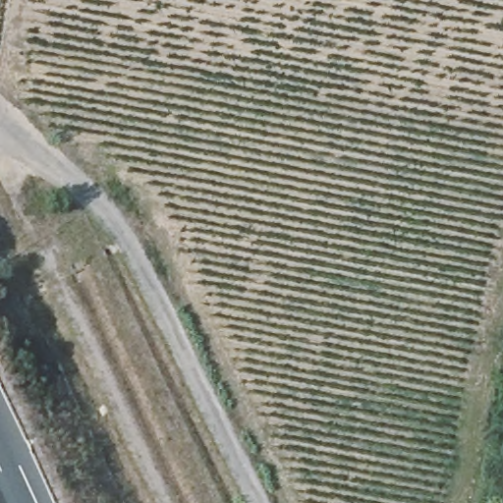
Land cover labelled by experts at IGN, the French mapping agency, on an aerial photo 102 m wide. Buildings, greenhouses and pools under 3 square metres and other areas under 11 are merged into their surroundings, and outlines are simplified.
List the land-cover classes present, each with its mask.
<instances>
[{"label":"vineyard","instance_id":"1","mask_svg":"<svg viewBox=\"0 0 503 503\"><path fill-rule=\"evenodd\" d=\"M86 8L73 4L67 6L65 12L43 10V14L49 16L51 28L75 29L86 33V37L53 33L55 37L94 43V49L67 43H53L43 37H28L29 43L41 45V49L26 51V63L53 69H73L100 77H122L140 83L173 86L175 92H163L132 84L108 83L114 88L147 92L149 98H138L98 88L33 79V83L39 84V88H31V98H16L14 94L6 98L12 106L26 114V118L35 126V130L43 134L45 140L59 147L84 175L92 177V183L98 185L100 195H106L108 181H114L116 177L124 185L132 187V193L138 196V206L126 216L130 228L136 232L143 246L147 240H155L157 250L161 251L169 271L161 279L163 289L167 291L171 303L179 312H183L191 320L193 328L202 324L204 332L210 336V346L216 362L220 363L222 377H226L234 395L238 397V407H228L226 411L236 430V436L242 440V448L250 458L255 475L261 481L265 495L271 503H470L475 489L472 479H475V458H479V452L485 442V419L489 413V405L493 401L491 371L499 369L503 375V367L501 354H493L487 330L503 312V0H83ZM0 216L8 220V226L16 238V251L20 255L37 253L43 257V263L33 273L35 285L45 305L55 314L59 334L67 342H73V360L88 385L90 397L94 399L100 411V422L104 424L106 432L114 442L126 479H130L136 487L141 503H248V497L242 493L240 483L230 470L228 458L220 452L214 434L210 432L202 411L196 405L195 395L185 381V373L175 360V354L163 330L159 328L153 316V310L145 301V295L128 263L126 253L110 251L116 238L102 226V220H98L92 214L90 206L83 208L73 198L69 200V212L45 214V220L31 222V218L24 212V195L20 193H8L0 181ZM487 477H493L495 485L501 487L503 497V460L499 464H491L485 468Z\"/></svg>","mask_w":503,"mask_h":503},{"label":"deciduous trees","instance_id":"2","mask_svg":"<svg viewBox=\"0 0 503 503\"><path fill-rule=\"evenodd\" d=\"M20 193L24 195V212L31 218V222L45 220V214L69 212V187H55L41 177L31 175L26 177ZM106 195L110 200H114V204L126 216L138 206V196L132 193V187L124 185L116 177L114 181H108ZM43 263V257L37 253L20 255L16 251V238L8 226V220L0 216V356L2 362L6 363V369L14 373V389L22 391L24 401L29 405V420L33 428L41 432L39 440L49 450V460L57 462V474L61 475L63 487L67 489L73 503H141L136 487L130 479H126L114 442L106 432L104 424L100 422V411L94 399L90 397L88 385L73 360V342H67L59 334L55 314L45 305L35 285L33 273ZM147 259L151 261L157 277L161 279L169 271L161 251L157 250L155 240H147L143 246ZM179 318L198 352V362L204 365L206 375L210 377V383L226 411L228 407H238V397L234 395L226 377H222L220 363L216 362L210 346V336L204 332L202 324L193 328L191 320L183 312H179ZM493 354H501L503 367V312L487 330ZM493 401L489 405V413L485 419V442L479 452V458H475V479H472L475 489L470 503H503V497L501 487L495 485L493 477H487L485 468L491 464H499L503 460V375L499 369L491 371Z\"/></svg>","mask_w":503,"mask_h":503},{"label":"pervious surface","instance_id":"3","mask_svg":"<svg viewBox=\"0 0 503 503\"><path fill-rule=\"evenodd\" d=\"M31 175L41 177L55 187H69V200L73 198L83 208L90 206L92 214L98 220H102V226L116 238L110 251L126 253L128 263L145 295V301L153 310V316L159 328L163 330L175 354V360L185 373V381L195 395L196 405L202 411L210 432L214 434L220 452L228 458L230 470L240 483L242 493L248 497V503H271L265 495L261 481L255 475L250 458L242 448V440L236 436V430L226 411L210 383V377L206 375L204 365L198 362V352L179 318V312L171 303L167 291L163 289L161 279L157 277L151 261L147 259L143 246L136 232L130 228L126 216L114 204V200H110L106 195H100L98 185L92 183V177L84 175L59 147L45 140L43 134L35 130V126L26 118V114L12 106L6 98L0 94V181L8 193H20L26 177Z\"/></svg>","mask_w":503,"mask_h":503},{"label":"plowed land","instance_id":"4","mask_svg":"<svg viewBox=\"0 0 503 503\"><path fill-rule=\"evenodd\" d=\"M73 4L86 8L83 0H0V94L6 98L14 94L16 98H31V88H39V84L33 83V79L98 88L138 98H149L147 92L114 88L108 83L132 84L163 92H175L173 86L140 83L122 77H100L73 69H53L26 63V51L41 49V45L29 43L28 37H43L53 43H67L94 49V43L55 37L53 33L86 37V33L75 29L51 28L49 16L43 14V10L65 12L67 6Z\"/></svg>","mask_w":503,"mask_h":503},{"label":"impervious surface","instance_id":"5","mask_svg":"<svg viewBox=\"0 0 503 503\"><path fill-rule=\"evenodd\" d=\"M29 405L24 401L22 391L14 389V373L6 369V363L2 362L0 356V503H73L67 489L63 487L61 475L57 474V462L49 460V450L39 440L41 432L33 428L29 420Z\"/></svg>","mask_w":503,"mask_h":503}]
</instances>
